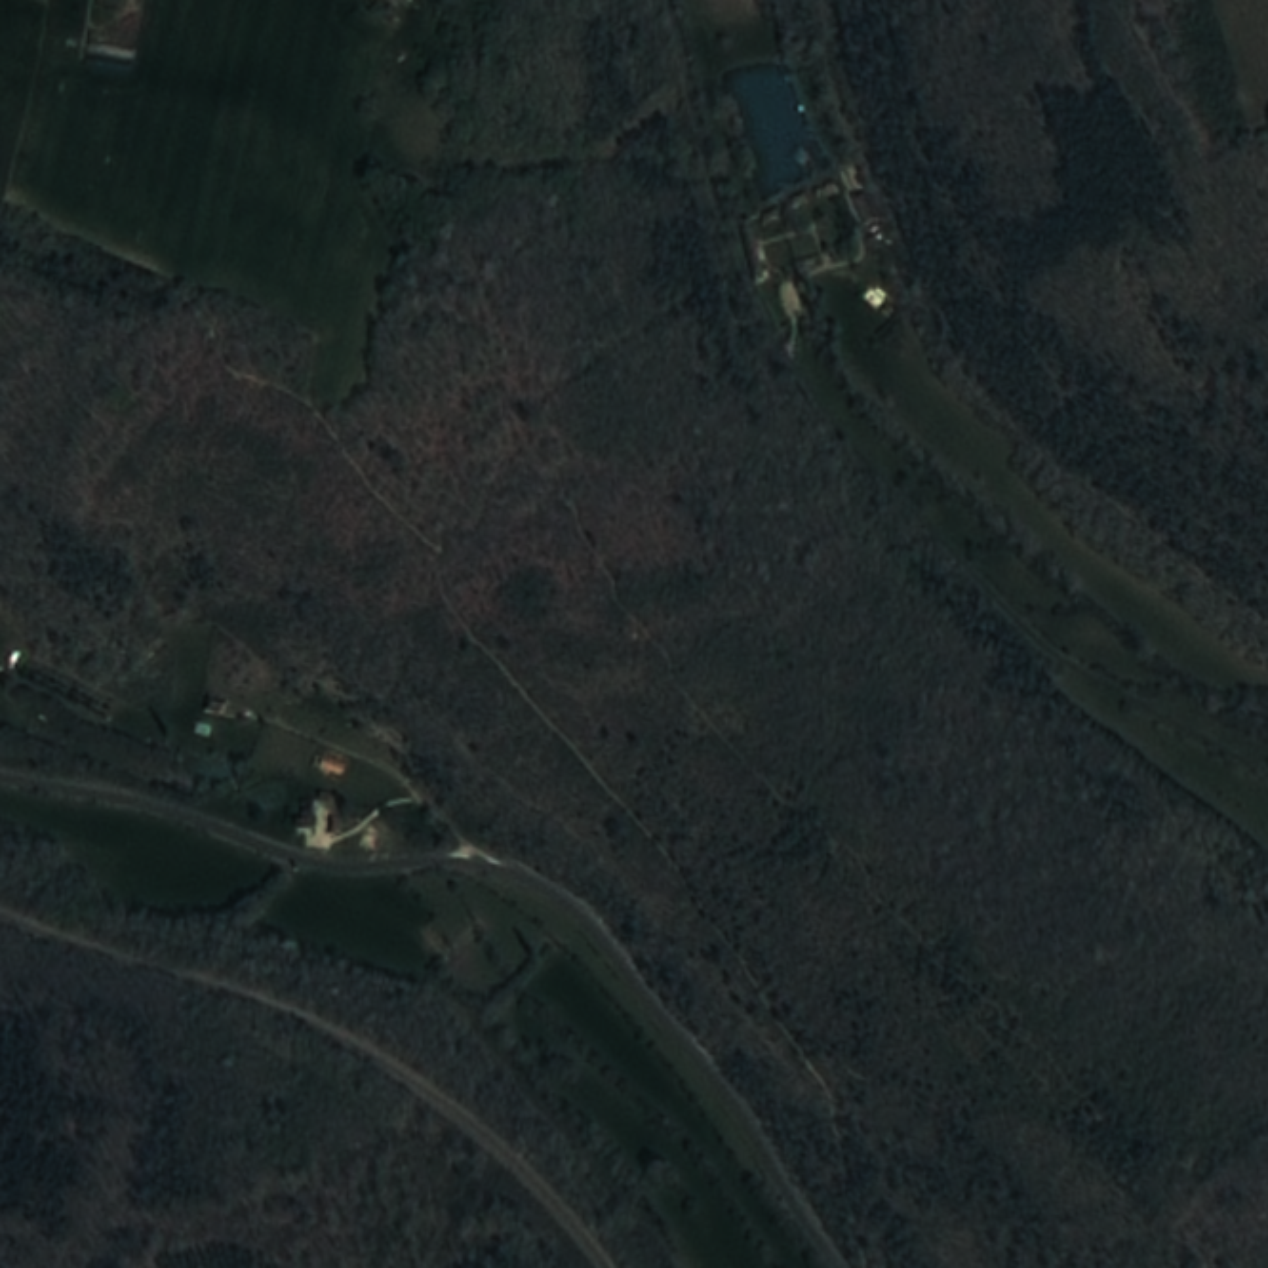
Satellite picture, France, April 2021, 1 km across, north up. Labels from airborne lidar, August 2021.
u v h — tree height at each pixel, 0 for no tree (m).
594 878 13
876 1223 8
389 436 12
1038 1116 8
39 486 16
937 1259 13
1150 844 14
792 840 11
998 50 9
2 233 9
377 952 0
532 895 0
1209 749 10
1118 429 21
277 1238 9
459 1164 17
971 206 18
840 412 0
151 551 10
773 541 16
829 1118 12
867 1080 8
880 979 7
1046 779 15
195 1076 16
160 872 0
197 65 0
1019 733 12
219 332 8
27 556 11
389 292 17
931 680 12
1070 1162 11
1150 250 11
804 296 9
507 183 15
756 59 0
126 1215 9
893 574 14
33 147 0
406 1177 18
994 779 14
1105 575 0
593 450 15
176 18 0
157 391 13
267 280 0
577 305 14
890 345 0
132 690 12
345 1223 16
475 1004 16
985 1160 14
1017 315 9
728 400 11
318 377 0
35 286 10
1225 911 14
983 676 10
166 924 23
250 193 0
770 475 15
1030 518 0
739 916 7
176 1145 27
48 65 0
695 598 11
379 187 20
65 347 18
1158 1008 10
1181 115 12
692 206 21
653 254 17
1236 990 10
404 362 16
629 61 12
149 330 8
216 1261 11
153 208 0
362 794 0
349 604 15
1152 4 12
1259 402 17
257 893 13
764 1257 8
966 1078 8
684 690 9
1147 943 15
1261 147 9
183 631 0
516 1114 20
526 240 12
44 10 0
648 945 13
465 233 12
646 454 14
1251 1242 14
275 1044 13
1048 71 10
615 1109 0
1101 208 18
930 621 7
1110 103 15
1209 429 24
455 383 10
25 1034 15
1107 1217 13
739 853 7
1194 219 10
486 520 8
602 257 15
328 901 0
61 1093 13
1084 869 10
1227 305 10
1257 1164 15
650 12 13
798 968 6
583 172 25
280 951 24
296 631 9
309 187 0
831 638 11
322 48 0
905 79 17
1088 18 16
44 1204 14
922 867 12
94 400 22
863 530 15
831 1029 6
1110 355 12
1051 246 19
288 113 0
